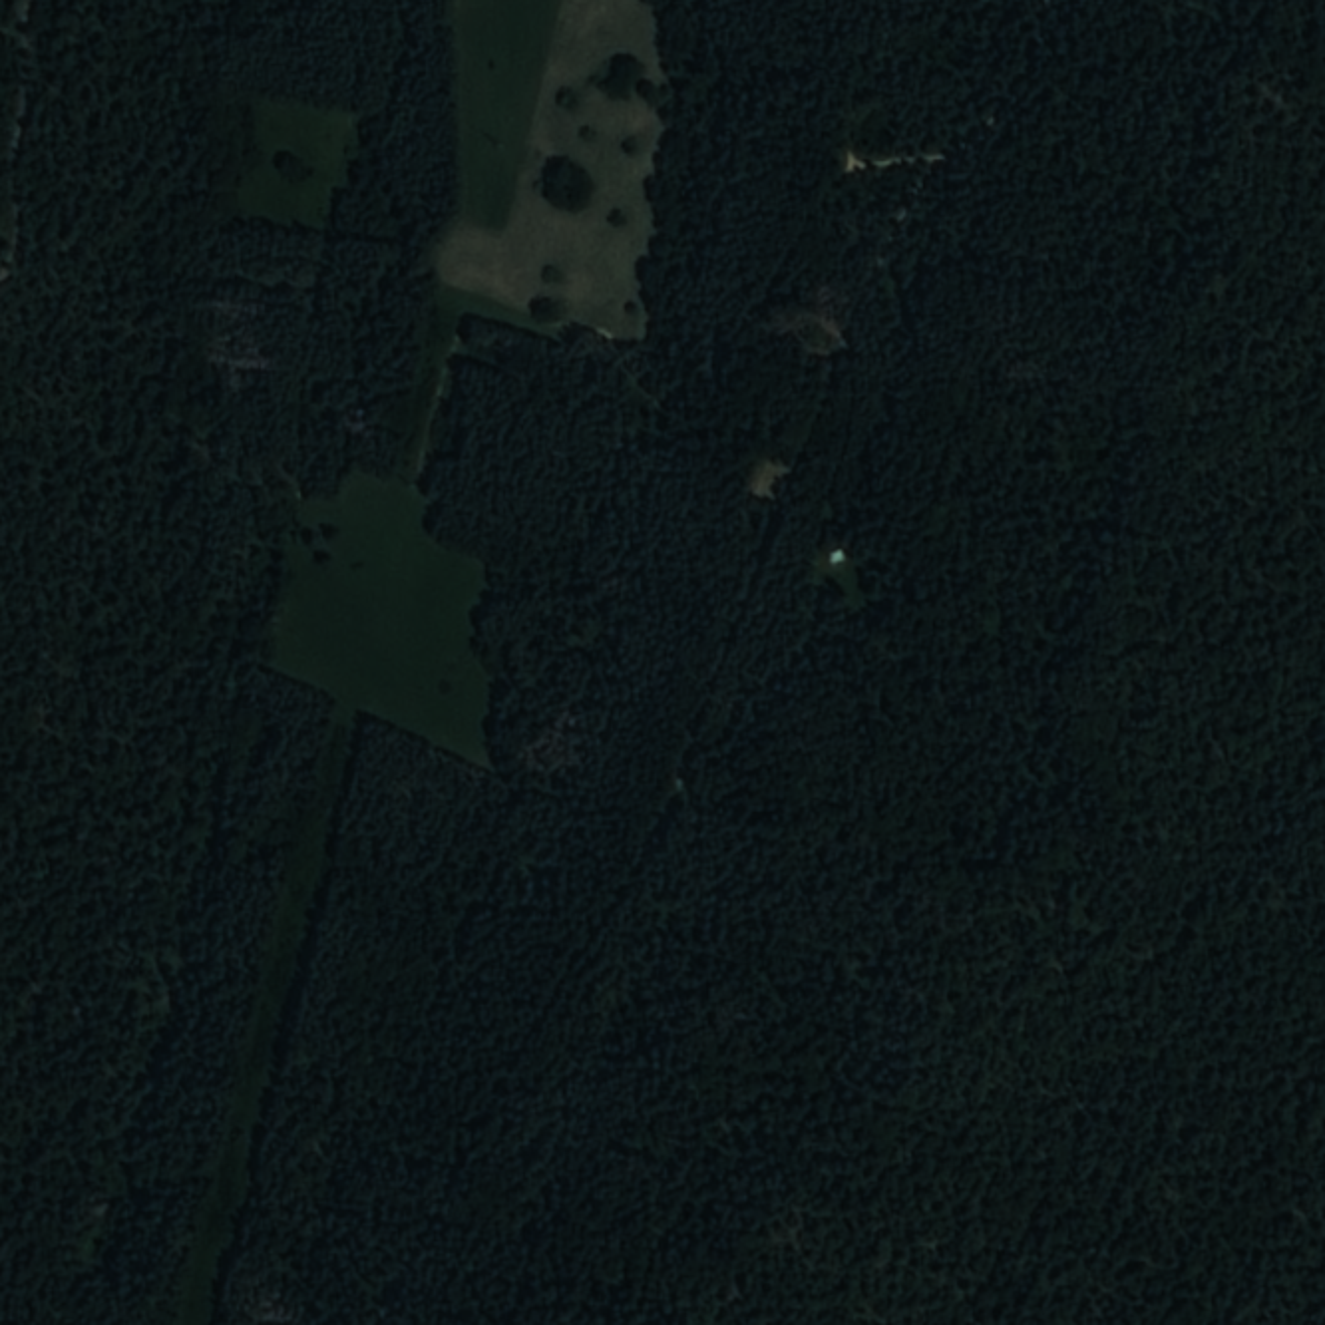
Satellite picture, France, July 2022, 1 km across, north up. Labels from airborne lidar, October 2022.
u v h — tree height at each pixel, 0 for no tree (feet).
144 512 73
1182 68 82
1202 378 37
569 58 0
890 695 100
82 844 97
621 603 98
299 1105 78
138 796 66
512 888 113
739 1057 87
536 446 93
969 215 77
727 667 90
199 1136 98
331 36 99
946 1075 23
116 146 74
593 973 86
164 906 90
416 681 0
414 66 97
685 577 113
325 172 0
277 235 115
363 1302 105
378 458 92
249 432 91
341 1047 81
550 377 75
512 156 0
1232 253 35
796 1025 96
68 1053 112
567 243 0
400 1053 106
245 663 77
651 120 0
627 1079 107
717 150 58
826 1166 83
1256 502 38
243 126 48
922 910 72
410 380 89
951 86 104
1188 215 101
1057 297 75
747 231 104
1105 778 81
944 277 107
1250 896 78
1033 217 66
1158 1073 55
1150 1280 57
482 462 86
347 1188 111
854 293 85
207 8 96
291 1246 42
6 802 72
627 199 0
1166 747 42
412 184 79
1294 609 74
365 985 94
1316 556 80
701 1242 110
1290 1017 77
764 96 83
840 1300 82
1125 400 88
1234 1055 70
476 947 88
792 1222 63
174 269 103
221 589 117
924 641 83
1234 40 74
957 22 102
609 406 97
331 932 89
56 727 78
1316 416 74
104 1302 98
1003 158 98
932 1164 93
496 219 0
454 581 0
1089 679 54
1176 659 84
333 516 0
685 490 103
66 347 72
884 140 29
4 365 25
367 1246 102
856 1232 93
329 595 0
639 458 107
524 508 90
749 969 83
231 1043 95
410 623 0
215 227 119
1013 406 88
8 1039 29
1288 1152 69
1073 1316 77
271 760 101
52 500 74
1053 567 116
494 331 82
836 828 64
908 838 102
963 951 36
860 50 65
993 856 118
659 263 73
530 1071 93
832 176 44
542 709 94
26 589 82
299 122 0
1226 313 53
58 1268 110
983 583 73
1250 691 72
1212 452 93
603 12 0
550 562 39
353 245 105
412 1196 116
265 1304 96
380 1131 102
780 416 92
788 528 110
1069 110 70
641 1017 25
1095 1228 37
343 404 121
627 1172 91
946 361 95
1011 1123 48
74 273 71
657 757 103
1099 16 26
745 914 50
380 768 78
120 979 89
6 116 39
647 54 0
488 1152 72
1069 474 20
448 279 0
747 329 99
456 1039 95
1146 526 77
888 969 43
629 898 90
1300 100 70
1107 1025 61
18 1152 29
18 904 58
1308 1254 76
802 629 103
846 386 86
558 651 85
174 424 88
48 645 74
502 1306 96
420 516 0
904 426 78
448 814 56
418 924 65
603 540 117
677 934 41
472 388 80
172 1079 114
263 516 101
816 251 93
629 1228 96
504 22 0
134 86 76
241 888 105
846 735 83
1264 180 58
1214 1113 72
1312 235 60
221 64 102
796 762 87
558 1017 79
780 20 106
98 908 86
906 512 61
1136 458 92
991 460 48
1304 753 65
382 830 70
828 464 72
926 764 89
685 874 110
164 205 57
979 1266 84
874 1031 116
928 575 89
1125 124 71
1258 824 73
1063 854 90
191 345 106
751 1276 81
